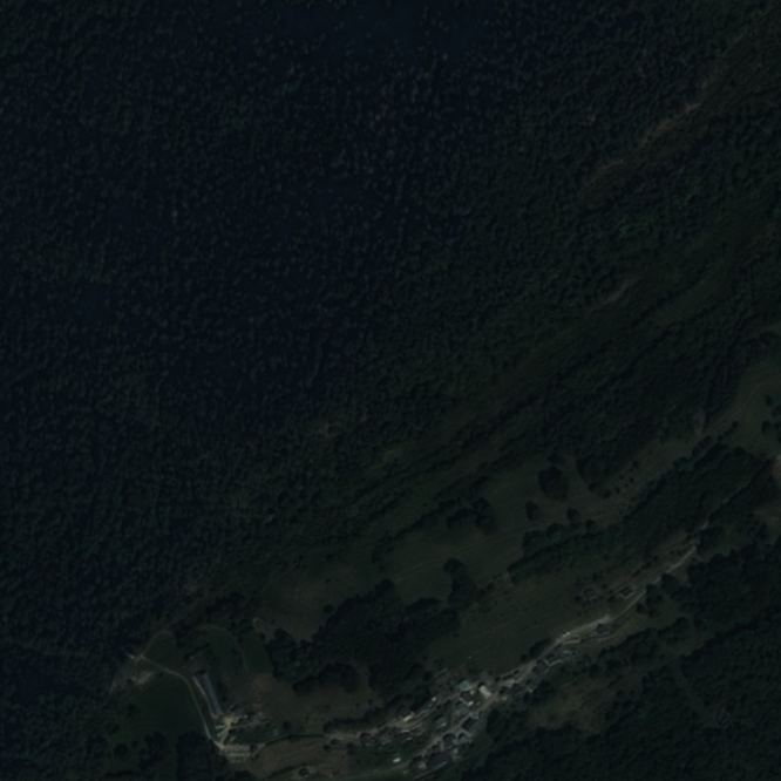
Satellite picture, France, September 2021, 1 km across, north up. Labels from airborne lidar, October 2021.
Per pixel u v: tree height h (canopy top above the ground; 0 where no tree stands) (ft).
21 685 20
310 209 40
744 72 29
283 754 0
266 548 72
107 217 74
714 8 50
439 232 76
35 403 88
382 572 39
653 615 50
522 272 88
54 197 81
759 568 106
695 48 66
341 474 95
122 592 78
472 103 75
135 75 65
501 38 99
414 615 58
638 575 23
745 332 89
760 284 57
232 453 26
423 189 77
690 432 85
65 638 81
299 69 39
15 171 68
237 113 44
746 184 74
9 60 30
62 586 88
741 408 0
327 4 88
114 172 78
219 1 40
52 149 62
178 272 41
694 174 68
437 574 0
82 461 95
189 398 68
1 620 93
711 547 80
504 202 69
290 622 0
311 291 27
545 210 64
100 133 81
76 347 45
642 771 107
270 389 76
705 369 64
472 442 36
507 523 0
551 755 114
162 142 53
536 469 0
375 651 85
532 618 0
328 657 78
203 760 69
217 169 60
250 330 68
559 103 69
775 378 0
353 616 69
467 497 22
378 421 95
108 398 82
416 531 53
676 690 55
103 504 81
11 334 88
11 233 43
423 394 61
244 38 46
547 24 76
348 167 77
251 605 25
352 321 36
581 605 28
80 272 54
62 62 86
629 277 72
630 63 82
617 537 59
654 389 79
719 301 33
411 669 53
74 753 58
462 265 84
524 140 49
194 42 57
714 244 26
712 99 22
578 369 63
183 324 77
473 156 70
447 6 61
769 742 39
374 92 70
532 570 48
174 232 67
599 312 21
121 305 76
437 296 69
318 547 20
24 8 51
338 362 66
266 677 0
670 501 85
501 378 32
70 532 73
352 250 72
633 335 34
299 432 32
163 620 57
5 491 89
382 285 59
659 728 72
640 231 55
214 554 42
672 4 24
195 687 0
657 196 78
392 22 32
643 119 94
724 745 81
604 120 58
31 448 99
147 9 72
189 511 62
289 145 53
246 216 81
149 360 66
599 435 34
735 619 94
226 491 64
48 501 107
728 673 89
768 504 40
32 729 95
